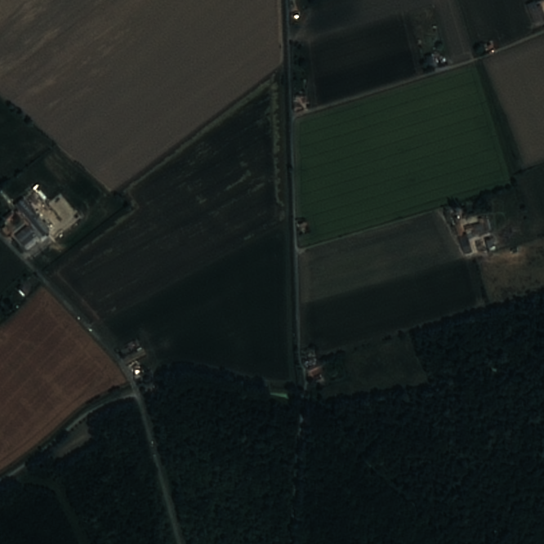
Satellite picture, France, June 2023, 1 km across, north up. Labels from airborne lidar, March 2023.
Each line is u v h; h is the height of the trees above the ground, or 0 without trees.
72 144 0
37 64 0
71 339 0
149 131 0
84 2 0
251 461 20
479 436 23
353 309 0
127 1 0
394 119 0
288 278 0
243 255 0
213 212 0
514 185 12
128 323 0
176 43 0
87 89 0
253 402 17
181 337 0
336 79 0
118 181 0
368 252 0
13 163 0
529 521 22
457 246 0
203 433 22
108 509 14
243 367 0
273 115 0
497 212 0
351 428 35
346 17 0
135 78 0
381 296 0
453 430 20
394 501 22
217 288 0
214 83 0
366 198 0
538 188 0
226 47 0
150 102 0
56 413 0
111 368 0
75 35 0
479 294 0
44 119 0
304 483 19
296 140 0
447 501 22
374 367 0
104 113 0
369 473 18
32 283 0
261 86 0
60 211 0
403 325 0
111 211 0
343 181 0
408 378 0
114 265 0
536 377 16
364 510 22
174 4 0
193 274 0
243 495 20
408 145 0
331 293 0
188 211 0
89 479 9
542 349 20
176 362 0
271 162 0
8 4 0
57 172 0
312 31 0
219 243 0
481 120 0
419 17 0
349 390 0
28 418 0
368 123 0
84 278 0
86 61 0
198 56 0
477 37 0
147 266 0
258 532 7
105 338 0
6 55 0
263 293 0
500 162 0
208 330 0
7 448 0
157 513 20
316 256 0
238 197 0
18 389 0
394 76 0
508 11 0
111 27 0
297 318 0
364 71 0
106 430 21
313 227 0
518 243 0
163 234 0
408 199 0
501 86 0
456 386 19
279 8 0
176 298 0
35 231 0
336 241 0
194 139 0
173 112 0
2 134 0
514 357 22
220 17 0
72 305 0
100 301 0
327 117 0
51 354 0
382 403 19
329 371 0
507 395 23
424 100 0
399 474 18
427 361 18
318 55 0
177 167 0
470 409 24
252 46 0
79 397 0
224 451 23
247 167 0
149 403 16
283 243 0
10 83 0
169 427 21
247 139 0
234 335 0
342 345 0
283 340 0
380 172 0
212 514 13
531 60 0
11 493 20
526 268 0
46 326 0
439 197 0
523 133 0
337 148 0
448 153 0
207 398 23
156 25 0
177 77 0
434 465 21
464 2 0
